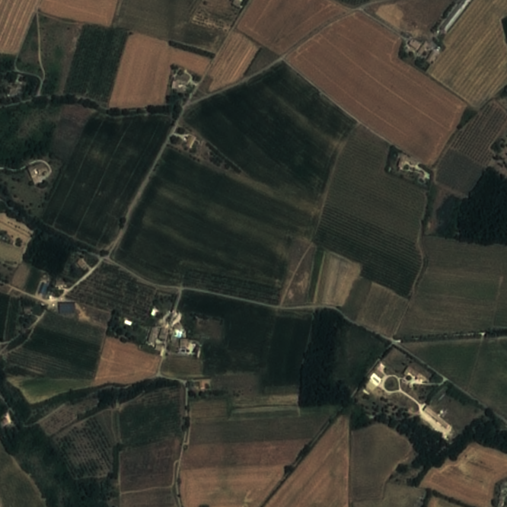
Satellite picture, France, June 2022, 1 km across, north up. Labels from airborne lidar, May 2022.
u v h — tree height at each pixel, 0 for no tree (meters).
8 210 8
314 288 0
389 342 8
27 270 0
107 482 6
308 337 0
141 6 0
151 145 0
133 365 0
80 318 0
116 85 0
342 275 0
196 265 0
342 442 0
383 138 0
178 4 0
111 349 0
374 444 0
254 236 0
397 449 0
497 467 0
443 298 0
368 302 0
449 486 0
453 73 0
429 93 0
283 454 0
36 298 0
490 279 0
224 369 0
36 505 0
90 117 0
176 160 0
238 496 0
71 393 10
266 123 0
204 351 0
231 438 0
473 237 13
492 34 0
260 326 0
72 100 14
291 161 0
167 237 0
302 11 0
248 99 0
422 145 0
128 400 10
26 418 8
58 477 10
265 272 0
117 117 8
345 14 0
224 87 0
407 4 0
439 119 0
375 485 0
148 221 0
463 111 0
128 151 0
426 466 10
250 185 0
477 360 0
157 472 0
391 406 7
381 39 0
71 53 0
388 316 0
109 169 0
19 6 0
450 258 0
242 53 0
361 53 0
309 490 0
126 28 0
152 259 0
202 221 0
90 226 0
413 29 0
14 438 12
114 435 0
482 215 13
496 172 12
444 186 0
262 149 0
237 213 0
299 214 0
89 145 0
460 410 0
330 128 0
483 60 0
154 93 0
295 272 0
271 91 0
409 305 0
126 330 13
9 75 12
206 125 0
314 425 0
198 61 0
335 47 0
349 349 0
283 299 0
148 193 0
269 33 0
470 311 0
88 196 0
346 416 0
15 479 0
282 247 0
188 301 0
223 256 0
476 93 0
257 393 0
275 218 0
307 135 0
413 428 11
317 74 0
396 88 0
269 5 0
